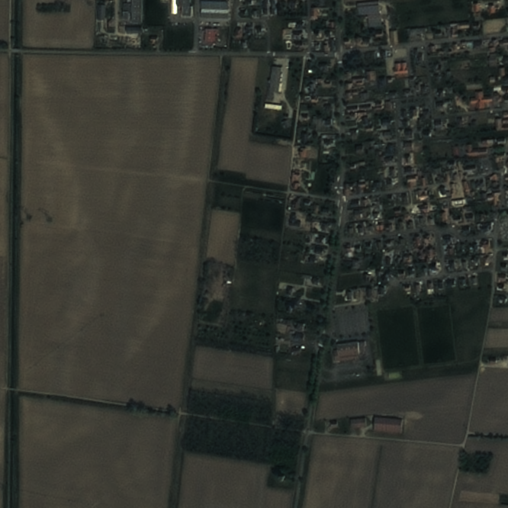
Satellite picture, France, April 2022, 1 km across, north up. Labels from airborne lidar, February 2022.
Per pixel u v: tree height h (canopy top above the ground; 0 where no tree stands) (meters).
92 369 0
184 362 0
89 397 0
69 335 0
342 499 0
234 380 0
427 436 0
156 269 0
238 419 15
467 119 0
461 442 0
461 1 0
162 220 0
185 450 18
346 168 0
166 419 0
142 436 0
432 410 0
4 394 0
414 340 0
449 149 0
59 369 0
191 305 0
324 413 0
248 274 0
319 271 0
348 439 0
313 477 0
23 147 0
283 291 0
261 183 0
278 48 0
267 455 17
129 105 0
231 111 0
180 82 0
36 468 0
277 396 0
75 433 0
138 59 0
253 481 0
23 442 0
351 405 0
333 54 0
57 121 0
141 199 0
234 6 0
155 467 0
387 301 0
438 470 0
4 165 0
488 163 0
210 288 8
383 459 0
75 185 0
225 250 0
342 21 12
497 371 0
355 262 0
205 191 0
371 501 0
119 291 0
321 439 0
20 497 0
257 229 0
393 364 0
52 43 0
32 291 0
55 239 0
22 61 0
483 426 0
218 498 0
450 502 0
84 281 0
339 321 0
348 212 0
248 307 0
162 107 0
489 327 0
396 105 0
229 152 0
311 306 18
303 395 0
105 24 0
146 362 0
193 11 0
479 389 0
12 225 0
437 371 0
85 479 0
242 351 20
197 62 0
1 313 0
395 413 0
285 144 0
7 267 0
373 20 0
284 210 0
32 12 0
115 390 0
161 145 0
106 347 0
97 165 0
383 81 0
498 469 0
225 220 0
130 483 0
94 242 0
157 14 0
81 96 0
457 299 0
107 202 0
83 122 0
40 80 0
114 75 0
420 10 0
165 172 0
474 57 0
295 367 0
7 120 0
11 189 0
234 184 0
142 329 0
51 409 0
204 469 0
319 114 13
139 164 0
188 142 0
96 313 0
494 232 0
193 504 0
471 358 0
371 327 7
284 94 0
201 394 12
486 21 0
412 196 0
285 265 0
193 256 0
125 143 0
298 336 0
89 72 0
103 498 0
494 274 0
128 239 0
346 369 0
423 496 0
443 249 0
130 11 0
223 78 0
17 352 0
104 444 0
